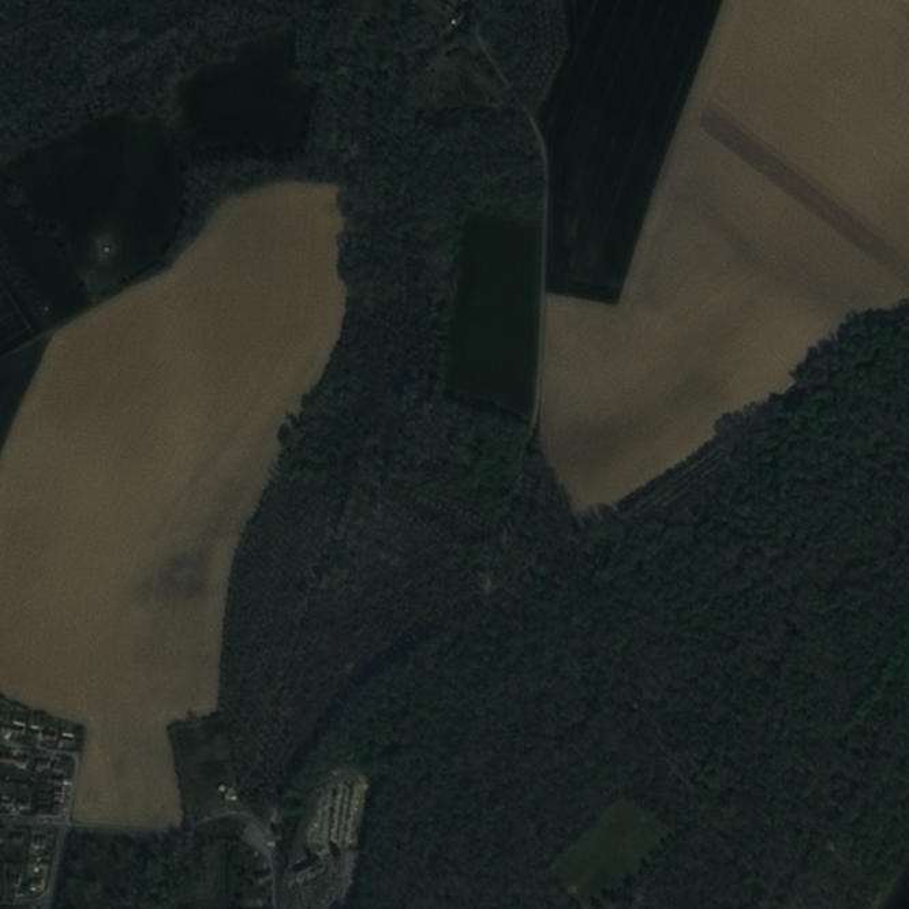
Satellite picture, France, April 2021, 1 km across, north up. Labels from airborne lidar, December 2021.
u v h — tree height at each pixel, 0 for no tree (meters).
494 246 0
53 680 0
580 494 0
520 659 23
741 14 0
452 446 27
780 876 16
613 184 0
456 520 13
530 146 19
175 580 0
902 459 23
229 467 0
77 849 9
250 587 8
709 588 21
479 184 30
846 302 0
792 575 20
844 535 21
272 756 20
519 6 22
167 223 0
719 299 0
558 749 21
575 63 0
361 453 11
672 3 0
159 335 0
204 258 0
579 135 0
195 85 0
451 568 10
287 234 0
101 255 0
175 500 0
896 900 0
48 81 16
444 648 26
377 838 21
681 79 0
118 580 0
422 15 22
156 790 0
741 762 21
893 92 0
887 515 22
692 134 0
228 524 0
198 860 19
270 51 0
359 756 22
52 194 0
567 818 22
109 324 0
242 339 0
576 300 0
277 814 26
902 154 0
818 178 0
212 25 20
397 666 22
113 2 19
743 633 23
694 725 21
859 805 22
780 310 0
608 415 0
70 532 0
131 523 0
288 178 25
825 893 27
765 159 0
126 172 0
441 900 22
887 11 0
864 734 21
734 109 0
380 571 6
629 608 24
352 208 32
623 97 0
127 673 0
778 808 20
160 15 14
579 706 23
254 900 0
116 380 0
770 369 0
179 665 0
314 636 13
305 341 0
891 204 0
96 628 0
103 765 0
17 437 0
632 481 0
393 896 20
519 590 27
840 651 18
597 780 25
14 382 0
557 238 0
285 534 6
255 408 0
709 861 17
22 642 0
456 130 23
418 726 25
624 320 0
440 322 6
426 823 18
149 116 19
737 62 0
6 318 0
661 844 0
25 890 9
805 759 20
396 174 29
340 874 0
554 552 25
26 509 0
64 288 0
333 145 25
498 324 0
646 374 0
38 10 27
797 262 0
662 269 0
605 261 0
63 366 0
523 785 18
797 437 20
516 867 22
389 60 18
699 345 0
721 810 19
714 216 0
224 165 28
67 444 0
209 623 0
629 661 12
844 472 8
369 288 39
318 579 8
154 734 0
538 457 22
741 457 22
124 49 25
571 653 24
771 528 21
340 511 6
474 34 24
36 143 20
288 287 0
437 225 19
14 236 0
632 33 0
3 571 0
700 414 0
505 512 26
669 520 15
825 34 0
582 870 0
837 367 21
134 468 0
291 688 8
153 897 9
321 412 13
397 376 10
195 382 0
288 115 0
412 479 34
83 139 0
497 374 0
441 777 18
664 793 19
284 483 10
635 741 21
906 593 24
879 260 0
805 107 0
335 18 29
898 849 20
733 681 21
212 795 0
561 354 0
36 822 0
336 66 25
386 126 22
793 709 21
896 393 25
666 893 18
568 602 26
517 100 21
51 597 0
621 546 29
